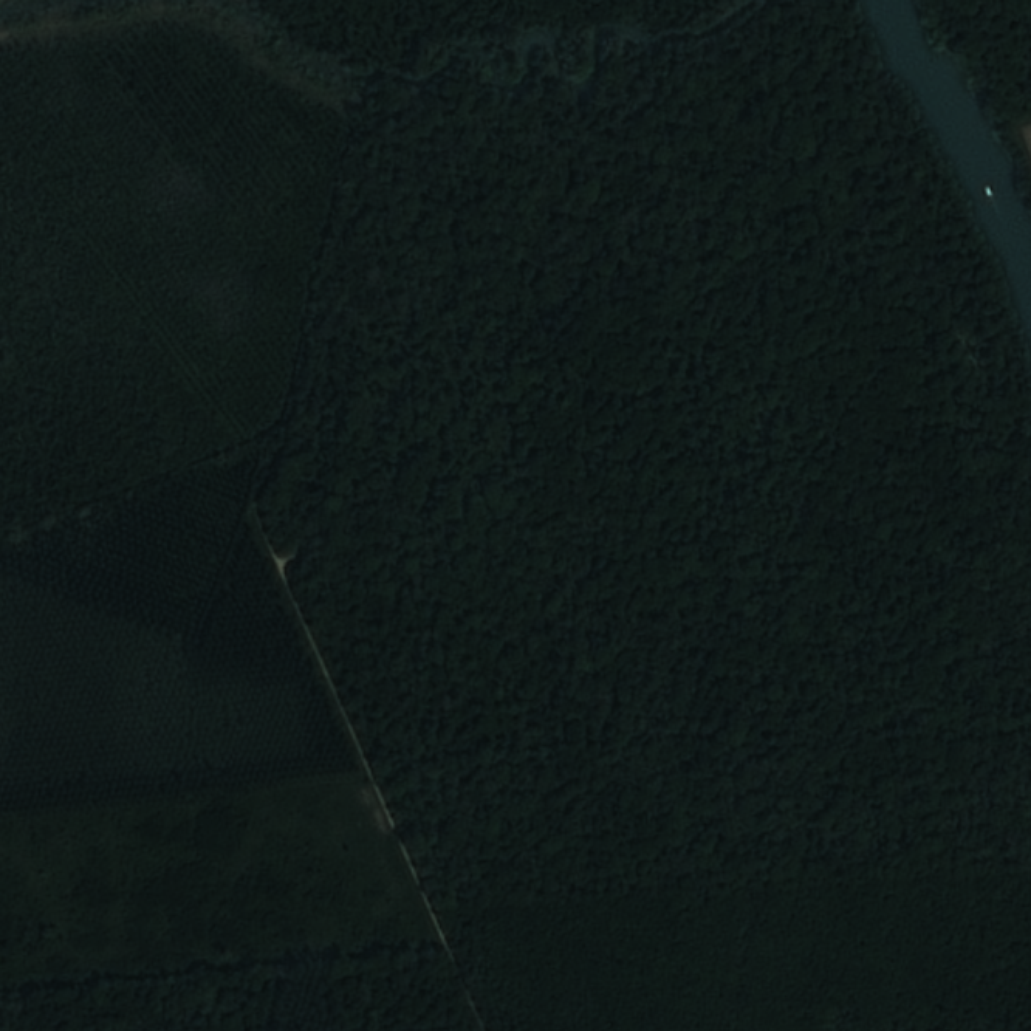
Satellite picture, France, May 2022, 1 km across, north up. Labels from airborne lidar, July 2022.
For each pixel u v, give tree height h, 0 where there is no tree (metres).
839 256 26
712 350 25
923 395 23
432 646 23
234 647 26
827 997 15
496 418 25
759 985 16
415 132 24
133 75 16
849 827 24
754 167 23
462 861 22
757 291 13
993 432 17
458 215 24
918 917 15
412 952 20
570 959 17
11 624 28
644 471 27
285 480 24
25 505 16
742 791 22
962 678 27
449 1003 22
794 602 19
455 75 20
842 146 20
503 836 22
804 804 20
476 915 14
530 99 24
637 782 20
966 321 24
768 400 21
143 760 27
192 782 32
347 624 19
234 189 14
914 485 17
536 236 9
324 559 23
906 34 0
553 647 12
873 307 25
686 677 18
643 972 18
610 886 26
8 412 10
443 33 11
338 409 12
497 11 19
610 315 23
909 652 14
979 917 18
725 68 23
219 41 17
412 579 25
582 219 11
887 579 26
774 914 16
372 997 16
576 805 25
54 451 11
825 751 28
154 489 9
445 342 15
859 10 12
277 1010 33
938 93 0
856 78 19
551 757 23
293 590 13
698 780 21
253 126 14
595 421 21
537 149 18
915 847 27
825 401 23
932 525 19
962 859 23
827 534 21
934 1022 14
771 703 24
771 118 26
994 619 19
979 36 22
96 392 9
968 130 0
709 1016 18
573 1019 19
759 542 14
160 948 6
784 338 26
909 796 14
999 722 26
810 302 23
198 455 8
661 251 14
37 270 20
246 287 7
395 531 21
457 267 15
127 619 24
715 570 21
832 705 27
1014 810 23
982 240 15
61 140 10
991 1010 17
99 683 28
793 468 26
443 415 27
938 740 24
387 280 9
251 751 28
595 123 20
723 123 19
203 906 6
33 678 30
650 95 22
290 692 27
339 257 14
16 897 7
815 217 14
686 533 22
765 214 12
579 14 17
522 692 23
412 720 9
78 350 8
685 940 16
